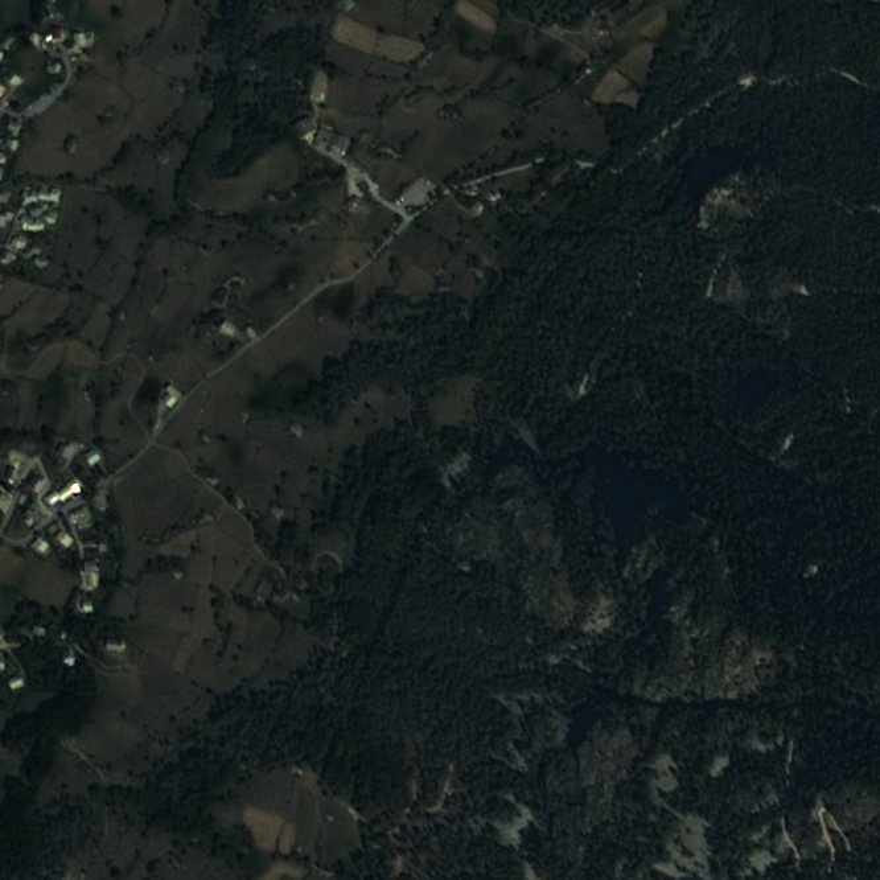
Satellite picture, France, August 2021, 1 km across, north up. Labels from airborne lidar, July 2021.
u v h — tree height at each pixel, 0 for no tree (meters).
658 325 19
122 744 0
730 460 14
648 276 10
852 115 7
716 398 10
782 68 12
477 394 6
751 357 9
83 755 0
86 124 0
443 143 0
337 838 0
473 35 0
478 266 8
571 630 10
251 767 14
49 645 10
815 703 11
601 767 0
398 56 0
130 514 0
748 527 20
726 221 8
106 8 0
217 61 0
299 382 0
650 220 14
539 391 14
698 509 11
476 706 13
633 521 0
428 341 6
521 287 12
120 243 0
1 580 0
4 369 0
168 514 0
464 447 13
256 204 0
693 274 12
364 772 19
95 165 0
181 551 0
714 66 11
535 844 16
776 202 7
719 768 0
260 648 0
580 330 13
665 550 8
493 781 8
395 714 12
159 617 0
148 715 0
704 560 14
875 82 8
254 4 11
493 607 13
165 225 7
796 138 11
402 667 15
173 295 0
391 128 0
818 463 14
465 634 6
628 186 10
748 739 8
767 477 11
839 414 11
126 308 0
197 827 10
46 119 0
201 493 0
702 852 0
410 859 13
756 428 11
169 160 0
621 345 7
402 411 0
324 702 14
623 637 8
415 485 18
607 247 14
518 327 8
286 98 8
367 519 13
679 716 10
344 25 0
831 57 6
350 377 14
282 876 0
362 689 11
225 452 0
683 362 10
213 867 0
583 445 11
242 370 0
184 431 0
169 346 0
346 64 0
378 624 11
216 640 0
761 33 8
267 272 0
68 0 0
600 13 0
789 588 15
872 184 9
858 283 10
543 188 7
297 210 0
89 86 0
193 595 0
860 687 7
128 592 0
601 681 14
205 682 0
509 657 11
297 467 0
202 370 0
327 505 0
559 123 0
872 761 13
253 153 6
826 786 8
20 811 23
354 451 10
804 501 8
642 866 7
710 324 9
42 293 0
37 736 20
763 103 8
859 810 0
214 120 9
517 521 0
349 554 0
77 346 0
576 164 6
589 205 8
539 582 0
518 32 0
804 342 10
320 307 0
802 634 15
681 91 9
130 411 0
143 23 0
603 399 11
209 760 16
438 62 0
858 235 14
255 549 0
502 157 0
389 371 13
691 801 7
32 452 0
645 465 18
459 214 0
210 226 5
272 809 0
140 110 0
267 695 8
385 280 0
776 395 10
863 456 16
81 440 0
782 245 9
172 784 15
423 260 0
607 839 8
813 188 10
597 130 0
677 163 8
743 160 11
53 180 0
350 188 0
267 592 0
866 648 11
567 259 7
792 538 13
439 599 11
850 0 12
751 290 8
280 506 6
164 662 0
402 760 18
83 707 19
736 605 16
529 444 0
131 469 0
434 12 0
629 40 0
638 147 10
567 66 0
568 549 9
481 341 17
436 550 8
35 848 16
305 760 10
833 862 6
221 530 0
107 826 0
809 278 11
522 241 13
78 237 0
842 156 9
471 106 0
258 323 0
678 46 0
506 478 0
